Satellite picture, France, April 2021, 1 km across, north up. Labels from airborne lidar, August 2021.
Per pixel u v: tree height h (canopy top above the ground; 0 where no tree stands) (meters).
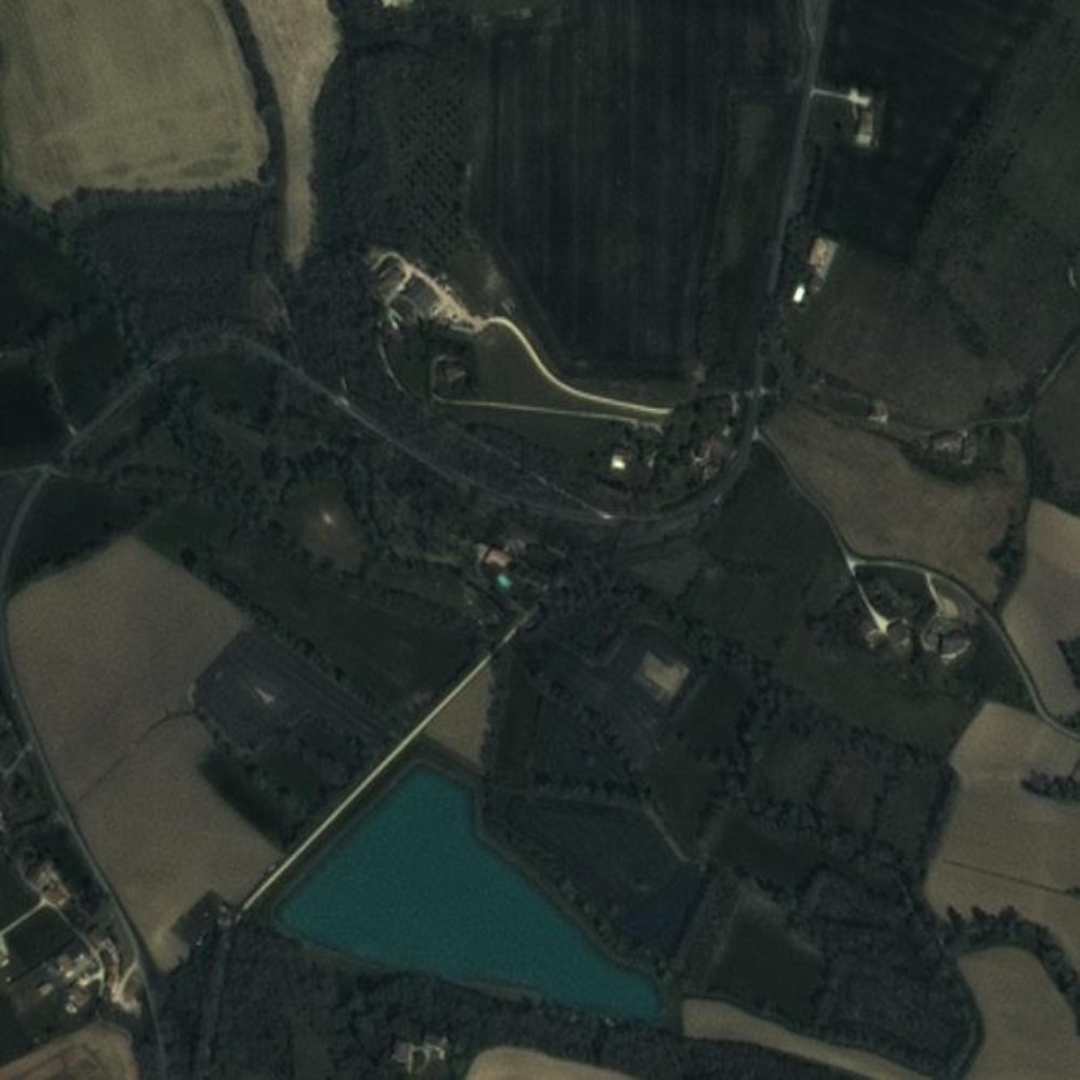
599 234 0
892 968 12
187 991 17
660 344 0
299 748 16
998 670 0
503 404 0
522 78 0
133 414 0
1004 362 0
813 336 0
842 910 12
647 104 0
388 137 10
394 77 6
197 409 22
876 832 9
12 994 0
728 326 0
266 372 7
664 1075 14
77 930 11
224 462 34
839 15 0
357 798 0
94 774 0
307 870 0
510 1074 0
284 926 0
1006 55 0
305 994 22
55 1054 0
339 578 18
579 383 0
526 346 0
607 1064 16
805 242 0
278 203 12
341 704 0
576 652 15
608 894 0
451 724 0
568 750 0
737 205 0
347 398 22
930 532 0
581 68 0
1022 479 0
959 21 0
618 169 0
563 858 0
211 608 0
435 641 0
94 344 0
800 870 0
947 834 22
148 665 0
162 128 0
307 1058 0
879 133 0
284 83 0
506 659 17
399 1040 20
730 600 0
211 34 0
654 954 12
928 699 0
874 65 0
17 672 0
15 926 0
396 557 31
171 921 0
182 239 10
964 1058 13
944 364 0
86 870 0
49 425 0
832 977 11
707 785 0
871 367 0
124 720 0
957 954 21
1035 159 0
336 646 0
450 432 17
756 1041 0
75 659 0
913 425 0
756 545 0
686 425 11
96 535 0
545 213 0
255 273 18
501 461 18
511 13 0
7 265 0
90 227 7
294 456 0
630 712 0
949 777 14
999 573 0
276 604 0
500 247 0
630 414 0
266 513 17
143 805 0
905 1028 8
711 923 19
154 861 0
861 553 0
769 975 0
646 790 23
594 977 0
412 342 8
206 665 0
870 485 0
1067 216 0
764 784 0
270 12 0
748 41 0
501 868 0
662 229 0
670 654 0
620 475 0
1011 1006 0
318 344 16
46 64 0
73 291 0
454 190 7
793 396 11
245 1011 13
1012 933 24
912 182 0
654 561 0
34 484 0
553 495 18
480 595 0
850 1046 12
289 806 18
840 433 0
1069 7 0
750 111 0
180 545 0
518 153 0
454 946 0
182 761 0
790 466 0
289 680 0
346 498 0
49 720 0
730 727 0
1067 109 0
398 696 0
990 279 0
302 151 0
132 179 0
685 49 0
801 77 0
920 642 7
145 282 10
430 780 0
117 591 0
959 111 0
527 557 7
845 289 0
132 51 0
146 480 21
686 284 0
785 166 0
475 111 0
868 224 0
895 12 0
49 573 11
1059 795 21
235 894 0
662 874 0
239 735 0
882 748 17
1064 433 0
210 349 18
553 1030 19
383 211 9
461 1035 11
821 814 17
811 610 0
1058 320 0
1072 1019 0
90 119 0
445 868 0
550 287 0
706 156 0
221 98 0
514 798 0
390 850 0
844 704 0
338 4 11
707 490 7
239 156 0
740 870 0
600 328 0
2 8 0
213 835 0
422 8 5
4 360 7
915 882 19
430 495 10
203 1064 16
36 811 0
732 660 12
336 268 25
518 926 0
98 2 0
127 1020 13
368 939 0
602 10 0
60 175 0
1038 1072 0
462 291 0
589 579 19
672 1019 0
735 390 13
